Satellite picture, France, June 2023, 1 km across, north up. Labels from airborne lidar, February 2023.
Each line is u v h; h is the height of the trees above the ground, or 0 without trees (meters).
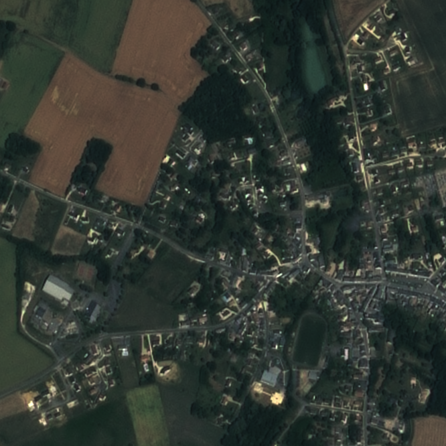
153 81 0
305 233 0
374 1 0
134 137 0
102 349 0
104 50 0
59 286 0
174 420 0
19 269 7
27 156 12
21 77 0
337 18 0
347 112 14
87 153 8
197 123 16
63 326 0
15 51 0
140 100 0
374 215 0
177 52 0
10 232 0
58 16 0
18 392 0
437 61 0
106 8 0
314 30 15
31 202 0
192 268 0
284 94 15
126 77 8
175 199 0
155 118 0
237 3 0
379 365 12
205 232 10
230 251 11
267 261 9
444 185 0
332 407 0
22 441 0
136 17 0
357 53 0
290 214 0
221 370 0
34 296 0
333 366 7
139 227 0
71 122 0
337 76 14
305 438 7
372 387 12
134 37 0
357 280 0
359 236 14
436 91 0
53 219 0
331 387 0
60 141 0
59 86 0
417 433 0
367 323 13
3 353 0
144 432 0
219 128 23
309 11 20
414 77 0
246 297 8
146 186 0
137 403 0
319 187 0
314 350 0
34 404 0
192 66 0
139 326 0
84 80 0
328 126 28
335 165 0
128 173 0
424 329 0
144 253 9
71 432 0
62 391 0
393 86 0
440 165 0
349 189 6
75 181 16
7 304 0
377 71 0
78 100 0
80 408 0
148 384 14
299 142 0
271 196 0
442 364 16
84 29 0
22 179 0
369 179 0
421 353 12
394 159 0
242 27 11
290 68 0
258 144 6
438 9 0
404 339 13
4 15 0
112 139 0
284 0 15
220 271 0
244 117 23
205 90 17
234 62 14
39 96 0
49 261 7
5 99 0
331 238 0
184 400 0
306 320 0
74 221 0
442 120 0
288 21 10
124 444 0
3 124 0
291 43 9
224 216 18
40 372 0
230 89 27
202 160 10
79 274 0
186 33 0
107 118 0
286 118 0
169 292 0
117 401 0
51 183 0
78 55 0
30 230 0
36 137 0
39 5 0
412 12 0
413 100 0
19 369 0
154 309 0
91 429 0
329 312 0
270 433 9
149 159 0
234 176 14
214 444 0
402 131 0
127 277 19
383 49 0
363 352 0
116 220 0
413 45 0
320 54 0
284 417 12
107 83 0
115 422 0
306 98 17
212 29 16
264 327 0
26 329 0
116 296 0
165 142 0
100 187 0
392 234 0
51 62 0
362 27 0
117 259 0
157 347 8
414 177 0
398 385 0
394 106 0
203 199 7
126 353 0
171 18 0
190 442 0
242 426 27
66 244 0
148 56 0
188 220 12
